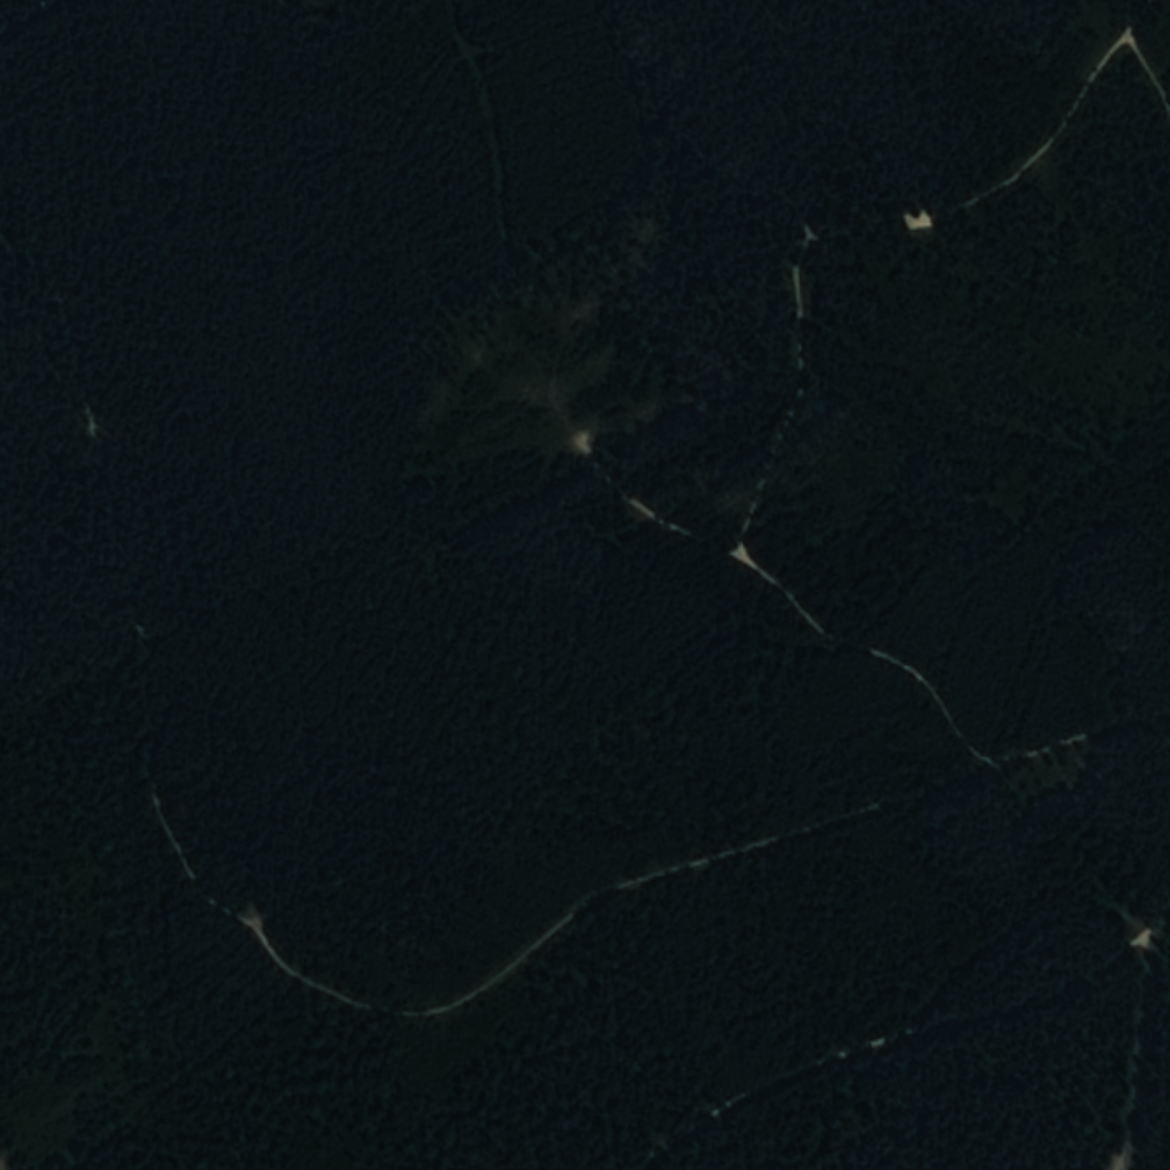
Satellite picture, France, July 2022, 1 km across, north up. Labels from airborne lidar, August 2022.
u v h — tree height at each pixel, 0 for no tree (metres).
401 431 25
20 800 7
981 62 16
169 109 28
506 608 16
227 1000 14
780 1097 20
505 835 12
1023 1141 30
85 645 33
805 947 18
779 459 28
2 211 23
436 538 18
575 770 18
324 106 25
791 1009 17
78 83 31
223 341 26
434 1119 8
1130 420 10
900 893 15
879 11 18
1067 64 7
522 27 15
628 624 17
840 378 12
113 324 28
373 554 22
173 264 28
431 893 14
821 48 24
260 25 29
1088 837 24
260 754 18
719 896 12
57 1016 13
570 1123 8
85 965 16
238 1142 9
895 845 14
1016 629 14
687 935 14
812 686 14
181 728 24
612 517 12
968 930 16
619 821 7
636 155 16
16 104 27
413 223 19
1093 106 6
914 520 10
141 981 17
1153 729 32
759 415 17
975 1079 32
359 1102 14
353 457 23
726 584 15
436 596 18
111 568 31
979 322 8
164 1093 8
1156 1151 17
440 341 16
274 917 16
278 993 15
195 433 25
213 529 28
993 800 35
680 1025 20
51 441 30
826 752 16
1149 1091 30
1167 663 28
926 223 0
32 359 30
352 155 25
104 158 32
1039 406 15
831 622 18
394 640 13
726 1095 13
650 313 31
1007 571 14
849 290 13
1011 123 10
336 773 22
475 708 11
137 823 21
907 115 24
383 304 24
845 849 14
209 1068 10
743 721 13
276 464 27
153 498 28
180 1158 9
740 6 30
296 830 25
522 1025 6
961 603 11
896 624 14
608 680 22
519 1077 15
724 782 19
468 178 20
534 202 15
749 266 20
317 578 15
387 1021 14
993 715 14
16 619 28
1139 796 29
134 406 32
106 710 20
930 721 12
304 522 28
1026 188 16
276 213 26
